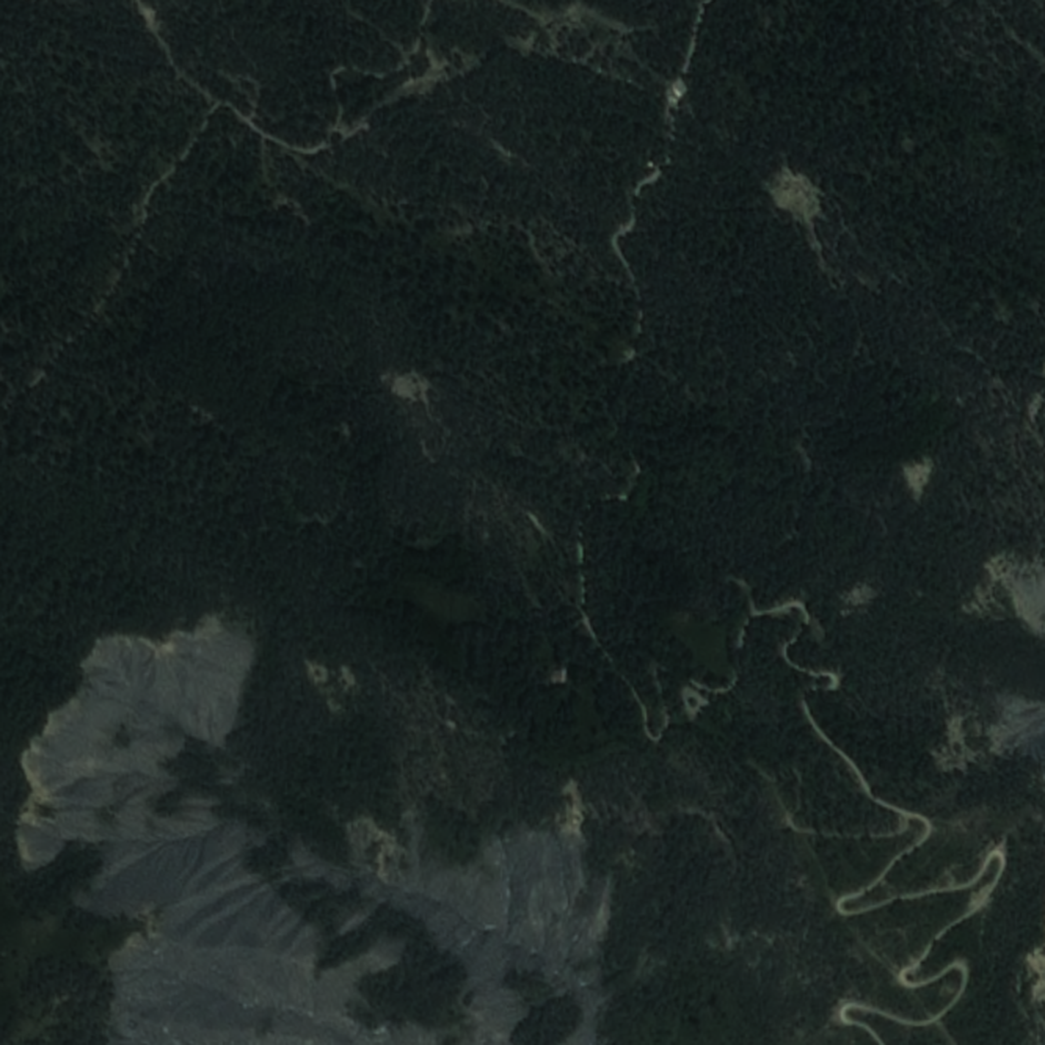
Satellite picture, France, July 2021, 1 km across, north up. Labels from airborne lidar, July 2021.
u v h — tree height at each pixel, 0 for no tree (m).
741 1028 6
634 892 9
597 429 17
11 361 22
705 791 8
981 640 7
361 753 8
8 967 0
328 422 20
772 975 8
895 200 7
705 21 10
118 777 0
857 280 15
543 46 8
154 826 0
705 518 23
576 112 17
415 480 12
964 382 10
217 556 16
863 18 12
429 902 0
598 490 10
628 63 13
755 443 25
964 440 11
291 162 15
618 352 0
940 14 14
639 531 20
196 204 9
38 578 18
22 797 11
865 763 15
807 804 14
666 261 13
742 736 16
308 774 8
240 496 12
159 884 0
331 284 25
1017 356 10
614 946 10
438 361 17
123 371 16
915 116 25
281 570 12
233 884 0
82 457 18
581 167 11
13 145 18
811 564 16
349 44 15
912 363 17
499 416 12
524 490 18
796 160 14
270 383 28
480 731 14
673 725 13
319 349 12
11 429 17
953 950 8
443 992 13
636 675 14
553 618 18
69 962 9
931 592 9
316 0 10
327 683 6
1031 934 10
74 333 23
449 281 21
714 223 14
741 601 19
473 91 13
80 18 8
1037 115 9
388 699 11
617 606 19
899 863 7
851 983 8
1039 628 0
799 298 13
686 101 6
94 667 0
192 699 0
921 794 8
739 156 12
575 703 14
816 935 7
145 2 8
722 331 14
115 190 13
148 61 14
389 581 18
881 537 12
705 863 14
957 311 8
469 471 15
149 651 0
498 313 25
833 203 12
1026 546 7
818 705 15
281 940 0
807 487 9
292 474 13
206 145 17
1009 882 9
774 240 13
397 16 13
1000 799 8
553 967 0
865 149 13
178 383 20
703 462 28
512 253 9
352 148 15
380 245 23
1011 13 8
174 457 17
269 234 20
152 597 16
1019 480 12
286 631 11
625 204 11
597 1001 0
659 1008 14
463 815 11
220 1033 0
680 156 14
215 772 12
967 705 8
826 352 20
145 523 10
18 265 22
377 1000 14
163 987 0
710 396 13
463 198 15
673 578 23
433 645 9
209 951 0
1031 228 19
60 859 10
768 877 10
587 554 12
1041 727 0
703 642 0
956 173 13
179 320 29
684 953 11
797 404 15
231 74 9
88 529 23
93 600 13
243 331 30
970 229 19
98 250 18
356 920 0
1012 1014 8
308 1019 0
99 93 26
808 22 12
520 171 13
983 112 26
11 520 19
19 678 30
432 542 9
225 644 0
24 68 10
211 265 29
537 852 0
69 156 7
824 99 13
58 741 0
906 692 9
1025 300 10
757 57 10
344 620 18
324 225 13
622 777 11
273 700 14
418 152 18
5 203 15
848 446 21
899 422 25
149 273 21
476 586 22
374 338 8
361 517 12
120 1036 0
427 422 6
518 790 14
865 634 15
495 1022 0
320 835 8
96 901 0
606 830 10
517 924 0
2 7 11
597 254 10
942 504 11
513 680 15
